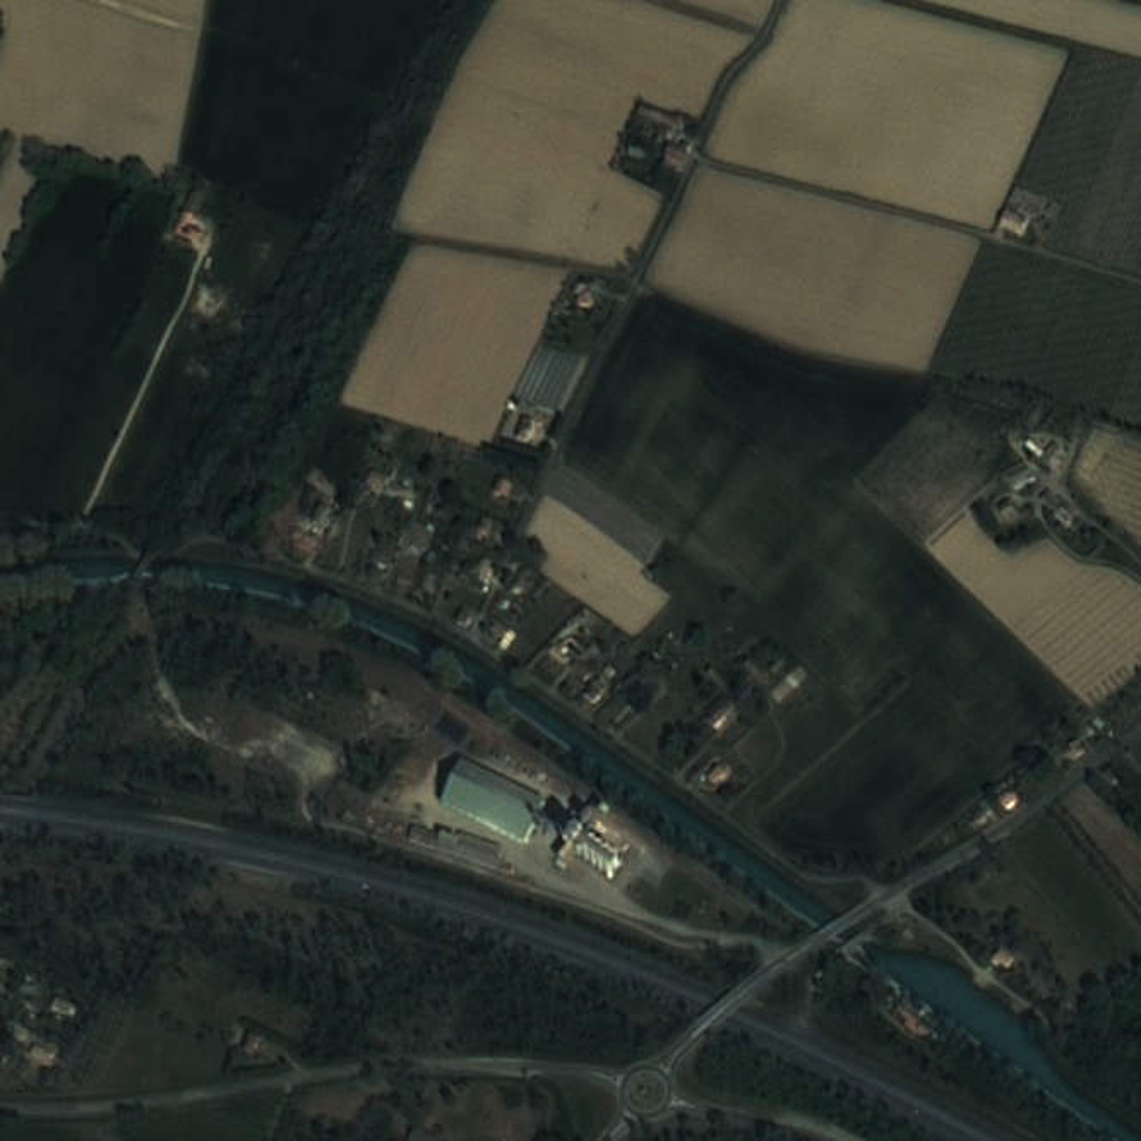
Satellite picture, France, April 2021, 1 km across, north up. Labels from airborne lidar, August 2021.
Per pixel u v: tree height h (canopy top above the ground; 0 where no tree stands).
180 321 0
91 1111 0
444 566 14
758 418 0
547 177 0
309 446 21
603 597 0
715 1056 7
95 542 16
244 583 0
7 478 0
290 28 0
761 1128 0
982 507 9
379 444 6
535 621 0
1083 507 0
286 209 0
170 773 17
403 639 0
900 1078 0
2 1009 7
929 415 14
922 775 0
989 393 8
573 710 0
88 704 11
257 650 22
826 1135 0
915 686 0
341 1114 0
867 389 0
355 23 0
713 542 0
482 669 0
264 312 12
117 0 0
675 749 16
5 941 14
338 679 17
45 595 35
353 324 22
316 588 0
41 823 0
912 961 0
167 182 11
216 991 0
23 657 18
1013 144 0
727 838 0
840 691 0
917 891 0
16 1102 0
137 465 0
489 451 14
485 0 13
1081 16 0
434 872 10
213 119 0
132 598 13
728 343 0
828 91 0
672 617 0
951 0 0
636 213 0
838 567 0
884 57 0
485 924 0
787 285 0
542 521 0
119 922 18
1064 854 0
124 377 0
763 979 0
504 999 18
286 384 17
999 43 0
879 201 0
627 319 0
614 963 0
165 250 6
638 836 0
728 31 0
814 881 0
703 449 0
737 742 0
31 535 22
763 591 0
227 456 20
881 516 0
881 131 0
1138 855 0
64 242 0
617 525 0
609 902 0
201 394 7
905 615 0
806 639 0
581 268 0
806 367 0
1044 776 14
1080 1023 14
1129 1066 17
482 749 0
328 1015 15
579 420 0
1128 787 9
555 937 0
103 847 19
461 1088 11
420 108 17
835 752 0
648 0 0
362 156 9
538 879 0
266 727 0
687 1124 16
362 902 6
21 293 0
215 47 0
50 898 23
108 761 7
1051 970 10
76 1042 20
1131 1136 0
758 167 0
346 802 0
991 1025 0
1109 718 18
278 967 14
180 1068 0
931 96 0
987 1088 13
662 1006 13
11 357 0
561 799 0
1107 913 0
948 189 0
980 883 12
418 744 0
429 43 13
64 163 17
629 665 9
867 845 0
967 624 0
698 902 0
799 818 0
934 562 0
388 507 6
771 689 0
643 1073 0
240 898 0
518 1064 0
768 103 0
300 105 0
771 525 0
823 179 0
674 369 0
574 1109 0
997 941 13
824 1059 0
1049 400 8
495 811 0
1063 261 0
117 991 7
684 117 6
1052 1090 0
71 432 0
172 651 15
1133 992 20
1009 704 0
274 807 9
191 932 20
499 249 0
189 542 15
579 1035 11
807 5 0
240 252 0
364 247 15
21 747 9
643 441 0
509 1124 0
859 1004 13
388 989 25
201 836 0
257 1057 6
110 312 0
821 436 0
